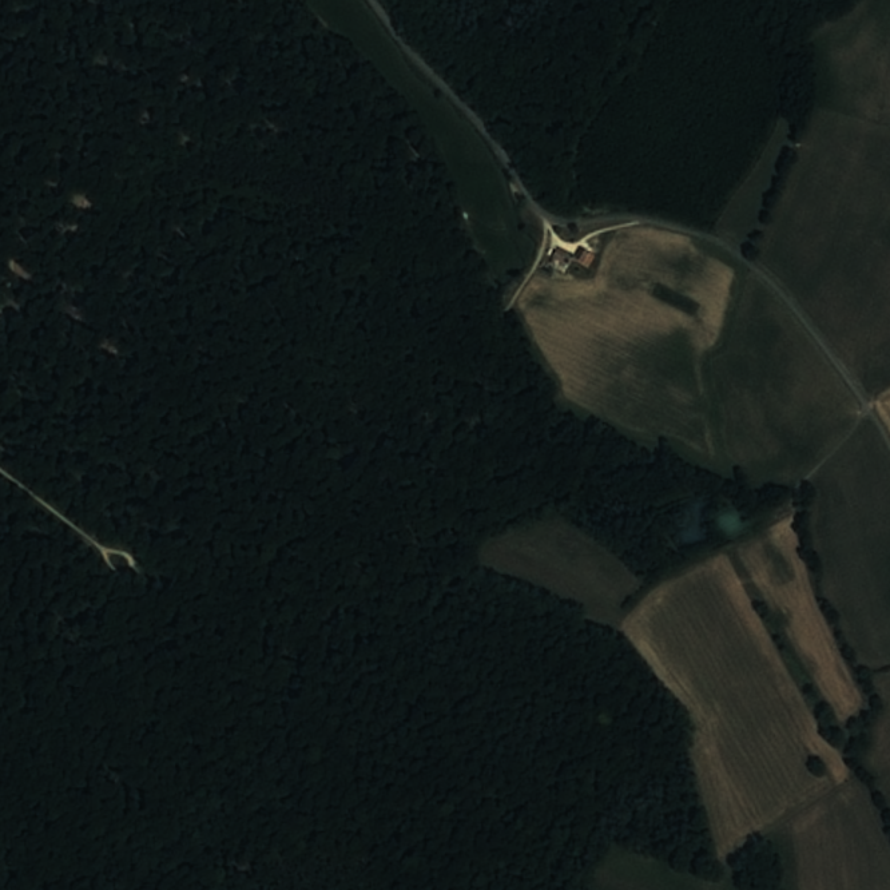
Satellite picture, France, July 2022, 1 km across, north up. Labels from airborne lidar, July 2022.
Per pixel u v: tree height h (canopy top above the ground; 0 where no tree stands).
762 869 28
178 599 29
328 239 10
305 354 25
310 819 29
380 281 29
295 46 30
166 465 27
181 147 24
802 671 0
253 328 29
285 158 22
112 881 22
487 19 26
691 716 26
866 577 0
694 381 0
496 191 0
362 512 26
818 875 0
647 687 26
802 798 0
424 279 23
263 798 27
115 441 30
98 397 27
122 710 30
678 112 10
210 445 25
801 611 0
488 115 19
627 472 28
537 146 28
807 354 0
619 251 0
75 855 29
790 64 14
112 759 31
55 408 29
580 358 0
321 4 0
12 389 31
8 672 30
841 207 0
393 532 25
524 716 21
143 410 27
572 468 23
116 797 29
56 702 28
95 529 24
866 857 0
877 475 0
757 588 0
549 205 20
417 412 31
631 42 27
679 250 0
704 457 0
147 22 29
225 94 30
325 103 28
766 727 0
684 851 29
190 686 29
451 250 24
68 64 30
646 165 11
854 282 0
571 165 11
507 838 24
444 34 26
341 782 30
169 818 27
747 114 12
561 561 0
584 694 21
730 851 0
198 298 31
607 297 0
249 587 28
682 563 14
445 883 26
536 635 29
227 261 30
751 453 0
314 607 25
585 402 0
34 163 28
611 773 30
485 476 23
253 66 28
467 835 26
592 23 28
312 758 33
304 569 28
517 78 24
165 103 29
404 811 17
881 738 0
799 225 0
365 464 29
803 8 19
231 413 27
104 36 34
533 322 0
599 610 0
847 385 0
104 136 28
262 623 30
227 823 24
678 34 11
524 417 25
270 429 30
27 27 33
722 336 0
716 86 10
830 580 0
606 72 25
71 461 30
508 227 0
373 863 18
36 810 20
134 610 27
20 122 26
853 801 0
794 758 0
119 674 29
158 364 29
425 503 30
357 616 26
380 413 29
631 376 0
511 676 22
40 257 28
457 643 18
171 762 25
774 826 0
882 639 0
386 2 27
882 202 0
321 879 16
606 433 23
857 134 0
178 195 7
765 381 0
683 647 0
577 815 29
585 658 24
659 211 8
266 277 14
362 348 26
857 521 0
